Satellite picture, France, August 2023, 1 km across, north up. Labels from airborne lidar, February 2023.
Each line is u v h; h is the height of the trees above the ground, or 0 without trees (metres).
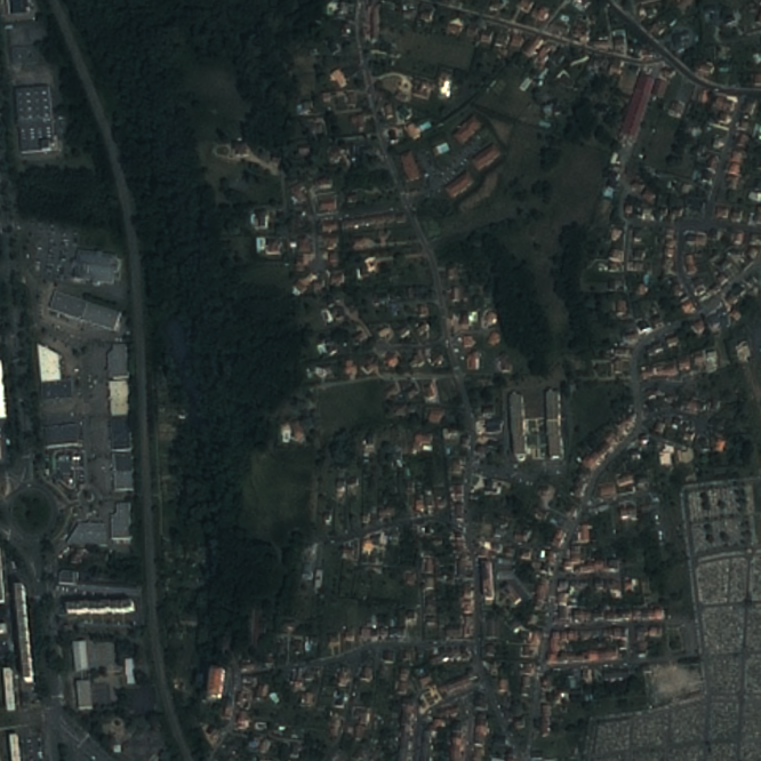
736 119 0
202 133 0
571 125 6
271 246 0
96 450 0
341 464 6
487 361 0
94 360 0
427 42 0
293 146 18
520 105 0
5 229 0
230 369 17
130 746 0
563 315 0
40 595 0
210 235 27
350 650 0
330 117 13
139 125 20
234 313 8
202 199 19
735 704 0
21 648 0
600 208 0
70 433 0
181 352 0
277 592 0
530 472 0
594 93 7
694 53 10
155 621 0
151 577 0
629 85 0
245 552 22
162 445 0
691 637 0
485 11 0
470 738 0
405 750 0
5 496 0
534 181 0
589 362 0
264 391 18
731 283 0
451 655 0
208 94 0
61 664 16
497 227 11
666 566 9
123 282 0
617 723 0
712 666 0
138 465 11
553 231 0
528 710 8
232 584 19
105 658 0
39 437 17
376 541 0
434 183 0
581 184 0
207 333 17
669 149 0
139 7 11
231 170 0
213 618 24
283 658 7
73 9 21
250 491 0
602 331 0
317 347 0
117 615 0
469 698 0
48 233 0
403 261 10
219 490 22
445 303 0
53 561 0
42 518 0
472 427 0
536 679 0
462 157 0
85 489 0
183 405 6
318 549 0
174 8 21
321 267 0
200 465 8
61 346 0
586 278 0
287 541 0
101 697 0
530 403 0
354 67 0
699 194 9
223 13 16
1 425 0
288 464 0
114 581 9
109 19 24
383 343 0
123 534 0
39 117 0
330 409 0
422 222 0
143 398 0
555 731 10
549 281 0
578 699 10
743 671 0
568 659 0
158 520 0
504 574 0
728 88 0
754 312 0
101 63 8
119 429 0
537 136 0
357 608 0
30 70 0
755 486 0
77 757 0
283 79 21
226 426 19
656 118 0
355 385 0
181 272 17
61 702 0
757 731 0
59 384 0
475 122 0
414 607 0
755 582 0
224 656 20
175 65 10
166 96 20
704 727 0
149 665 0
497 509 5
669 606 6
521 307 22
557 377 0
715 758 0
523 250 0
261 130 15
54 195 6
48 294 0
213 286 20
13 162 17
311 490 0
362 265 0
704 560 0
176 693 7
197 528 23
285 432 0
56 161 0
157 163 22
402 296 7
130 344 7
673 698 0
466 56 0
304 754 12
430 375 0
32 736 0
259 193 0
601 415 0
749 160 5
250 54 24
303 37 10
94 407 0
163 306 13
